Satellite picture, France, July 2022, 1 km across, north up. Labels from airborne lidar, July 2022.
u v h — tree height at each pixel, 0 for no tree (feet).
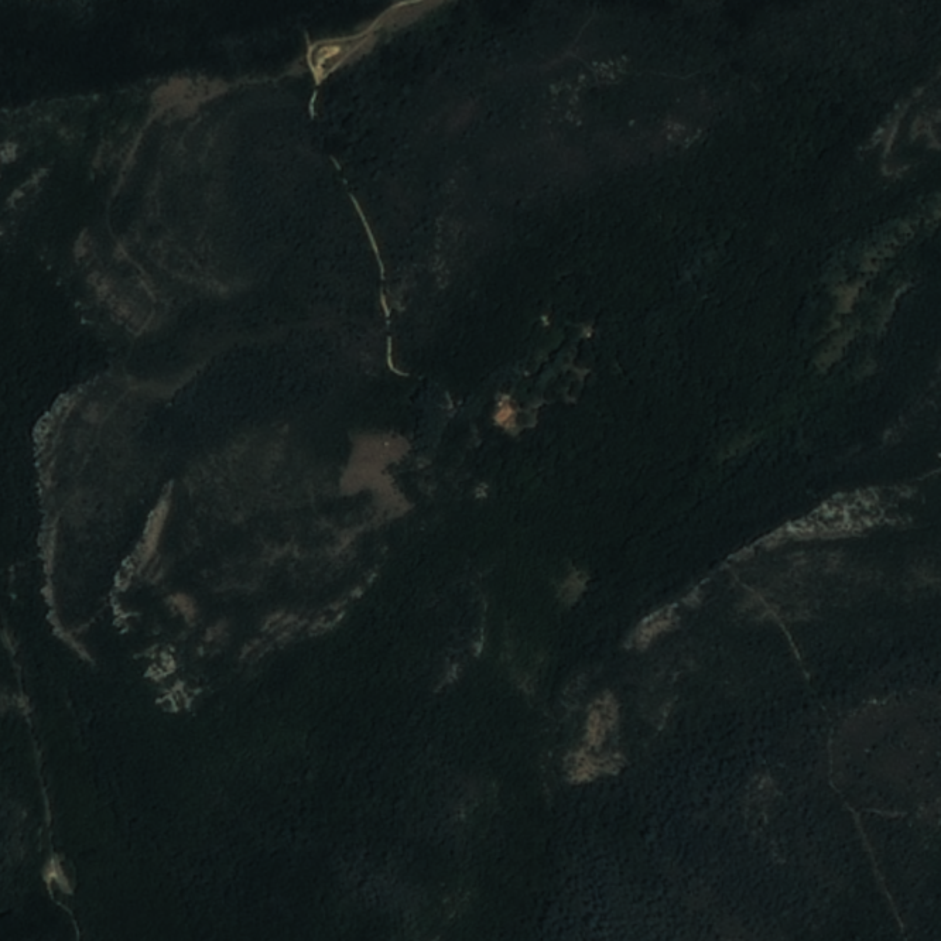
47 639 35
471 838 19
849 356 27
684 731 33
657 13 31
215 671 26
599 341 70
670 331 61
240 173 21
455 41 31
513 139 0
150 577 0
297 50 30
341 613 56
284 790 38
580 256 46
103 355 27
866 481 30
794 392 41
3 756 60
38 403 19
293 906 37
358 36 0
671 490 55
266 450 0
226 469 0
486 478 71
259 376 21
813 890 31
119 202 21
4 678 50
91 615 20
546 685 38
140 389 0
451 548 56
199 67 32
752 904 21
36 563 22
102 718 52
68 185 24
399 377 20
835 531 0
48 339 21
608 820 33
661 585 26
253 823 22
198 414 27
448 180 0
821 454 25
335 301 24
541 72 0
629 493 62
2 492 34
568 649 39
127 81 34
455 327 23
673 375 64
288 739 27
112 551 21
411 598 52
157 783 59
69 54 47
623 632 30
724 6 26
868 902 31
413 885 34
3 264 36
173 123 0
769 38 25
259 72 21
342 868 61
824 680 25
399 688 33
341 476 0
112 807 45
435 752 29
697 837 34
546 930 52
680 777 29
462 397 41
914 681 26
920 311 27
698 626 19
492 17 26
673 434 61
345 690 46
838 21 19
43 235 23
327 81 20
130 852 56
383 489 0
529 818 42
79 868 36
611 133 0
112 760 55
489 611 35
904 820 24
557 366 74
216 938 59
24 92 31
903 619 21
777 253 50
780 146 36
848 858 24
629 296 39
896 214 27
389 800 29
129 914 70
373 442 0
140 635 52
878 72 20
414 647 28
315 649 60
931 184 42
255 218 27
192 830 52
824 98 29
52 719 53
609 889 62
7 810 54
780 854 28
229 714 46
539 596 30
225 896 31
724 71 33
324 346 21
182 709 37
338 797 49
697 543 33
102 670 26
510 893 54
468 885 28
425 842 20
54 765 62
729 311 52
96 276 0
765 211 35
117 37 33
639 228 50
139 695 33
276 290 22
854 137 30
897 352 35
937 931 25
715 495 34
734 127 22
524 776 32
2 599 36
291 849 66
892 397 30
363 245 21
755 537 19
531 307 46
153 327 0
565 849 18
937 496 24
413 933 37
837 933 28
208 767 46
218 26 31
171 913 64
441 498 19
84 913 57
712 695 18
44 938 84
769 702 24
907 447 20
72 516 0
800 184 30
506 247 24
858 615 19
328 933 40
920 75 30
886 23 20
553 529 70
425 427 57
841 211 27
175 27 27
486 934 53
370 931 41
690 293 82
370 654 35
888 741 27
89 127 28
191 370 0
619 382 58
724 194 53
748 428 39
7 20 32
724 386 27
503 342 54
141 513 20
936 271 26
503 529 48
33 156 20
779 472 36
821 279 67
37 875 86
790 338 51
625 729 21
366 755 27
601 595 68
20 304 30
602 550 51
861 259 52
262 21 22
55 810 40
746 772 29
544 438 63
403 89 42
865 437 34
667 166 29
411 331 22
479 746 44
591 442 36
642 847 22
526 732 25
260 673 55
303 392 22
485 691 33
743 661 19
